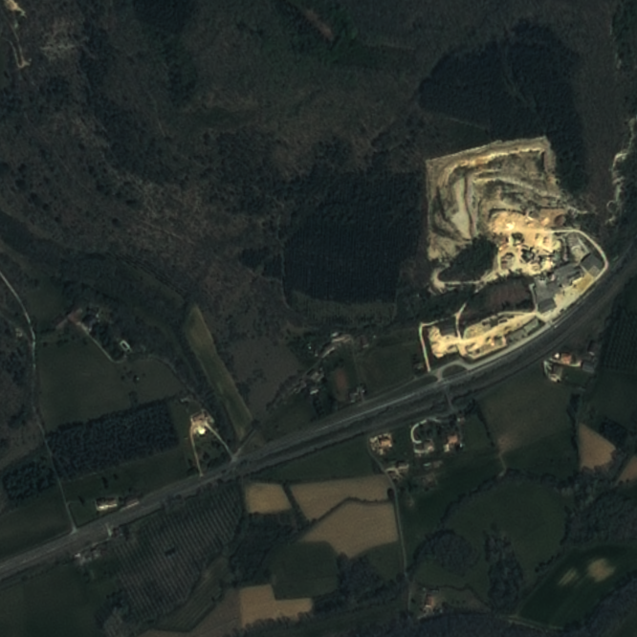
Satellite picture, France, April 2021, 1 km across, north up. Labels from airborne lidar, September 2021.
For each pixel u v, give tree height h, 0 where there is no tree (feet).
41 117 20
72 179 48
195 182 25
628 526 64
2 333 69
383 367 0
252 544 31
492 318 25
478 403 31
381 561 0
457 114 62
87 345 37
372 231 22
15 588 0
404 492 41
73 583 0
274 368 0
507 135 52
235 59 53
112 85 37
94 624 0
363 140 23
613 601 44
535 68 69
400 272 29
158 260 50
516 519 0
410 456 0
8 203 20
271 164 54
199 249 44
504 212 0
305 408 0
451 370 0
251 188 37
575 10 47
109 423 45
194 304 58
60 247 29
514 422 0
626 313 61
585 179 37
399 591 64
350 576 73
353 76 56
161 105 49
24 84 22
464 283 43
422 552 48
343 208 59
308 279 26
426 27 48
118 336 54
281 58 57
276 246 23
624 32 55
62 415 0
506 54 50
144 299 52
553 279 0
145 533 72
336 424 0
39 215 44
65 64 24
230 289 32
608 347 71
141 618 80
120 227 51
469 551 72
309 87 60
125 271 37
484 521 0
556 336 31
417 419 0
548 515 0
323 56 53
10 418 33
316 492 0
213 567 20
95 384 0
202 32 40
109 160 40
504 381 0
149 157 65
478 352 0
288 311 41
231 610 0
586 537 48
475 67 66
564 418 0
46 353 0
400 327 38
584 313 43
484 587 0
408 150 33
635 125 19
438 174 0
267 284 44
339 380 0
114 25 33
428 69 52
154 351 39
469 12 49
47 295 0
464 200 0
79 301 50
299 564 0
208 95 64
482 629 70
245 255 32
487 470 0
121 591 22
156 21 61
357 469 0
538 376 0
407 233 31
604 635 52
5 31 47
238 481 34
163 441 54
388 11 66
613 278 46
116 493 0
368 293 35
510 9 41
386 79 45
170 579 75
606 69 52
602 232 29
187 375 58
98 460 59
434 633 50
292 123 38
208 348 0
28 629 0
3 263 46
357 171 39
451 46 29
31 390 43
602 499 34
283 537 39
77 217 27
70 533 0
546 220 0
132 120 54
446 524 43
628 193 31
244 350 0
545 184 0
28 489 69
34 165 31
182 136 31
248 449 0
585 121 47
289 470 0
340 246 34
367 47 28
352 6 62
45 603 0
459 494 0
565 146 48
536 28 33
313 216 25
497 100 64
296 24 43
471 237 0
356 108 43
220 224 24
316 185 45
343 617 71
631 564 0
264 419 0
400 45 45
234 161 67
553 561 17
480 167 0
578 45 40
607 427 38
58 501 0
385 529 0
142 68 60
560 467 0
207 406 23
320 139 33
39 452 20
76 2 21
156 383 0
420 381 0
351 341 0
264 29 34
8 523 0
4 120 33
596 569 0
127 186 39
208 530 88
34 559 0
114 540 44
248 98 66
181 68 35
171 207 37
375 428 0
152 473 0
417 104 53
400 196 22
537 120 54
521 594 102
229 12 35
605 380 0
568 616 0
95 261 79
